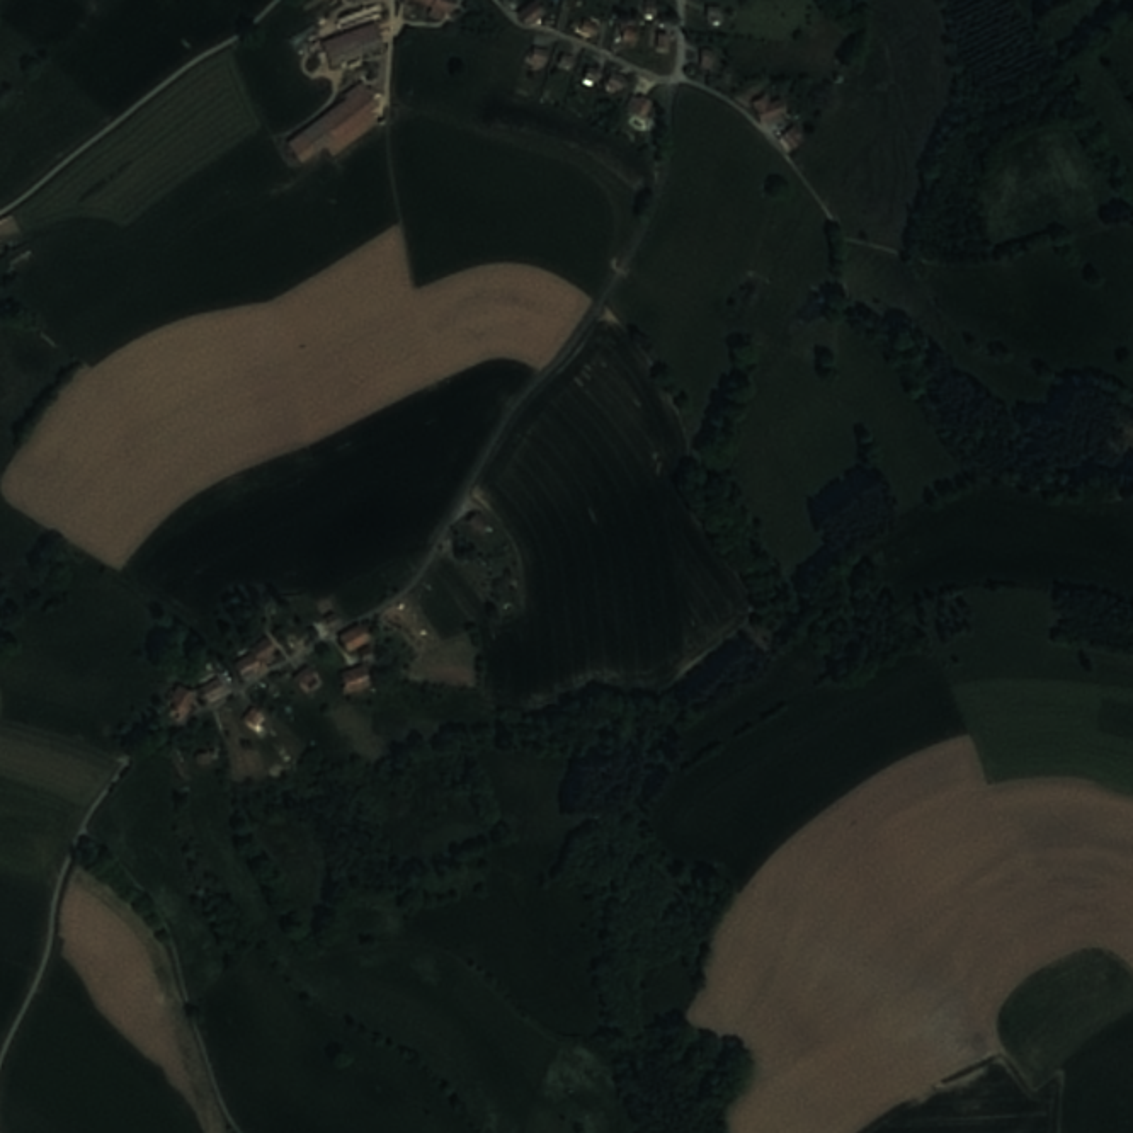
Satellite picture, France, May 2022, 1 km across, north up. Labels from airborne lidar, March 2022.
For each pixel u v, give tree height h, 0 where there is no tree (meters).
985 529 0
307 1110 0
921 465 0
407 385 0
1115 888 0
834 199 0
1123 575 0
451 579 0
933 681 0
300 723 0
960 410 33
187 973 0
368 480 0
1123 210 19
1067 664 0
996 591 8
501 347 0
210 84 0
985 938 0
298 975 0
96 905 0
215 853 0
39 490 0
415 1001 0
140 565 0
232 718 0
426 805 0
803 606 9
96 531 0
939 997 0
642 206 15
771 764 0
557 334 0
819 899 0
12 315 20
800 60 0
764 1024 0
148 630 0
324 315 0
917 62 0
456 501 0
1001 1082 0
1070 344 0
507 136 0
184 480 0
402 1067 0
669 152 15
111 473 0
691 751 0
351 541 0
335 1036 0
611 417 0
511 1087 0
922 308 0
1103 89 0
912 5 0
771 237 0
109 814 0
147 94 0
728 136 0
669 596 0
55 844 0
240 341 0
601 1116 0
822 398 0
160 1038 0
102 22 0
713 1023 0
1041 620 0
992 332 0
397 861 15
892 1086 0
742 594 0
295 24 0
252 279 0
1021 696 0
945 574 0
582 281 0
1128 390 17
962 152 16
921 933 0
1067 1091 0
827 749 0
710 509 27
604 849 13
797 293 0
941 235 17
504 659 0
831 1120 0
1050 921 0
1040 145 0
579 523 0
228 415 0
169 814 0
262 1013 0
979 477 15
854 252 0
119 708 0
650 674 0
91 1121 0
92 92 0
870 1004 0
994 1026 0
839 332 0
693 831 0
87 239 0
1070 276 0
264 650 0
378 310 0
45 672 0
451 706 0
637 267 0
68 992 0
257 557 0
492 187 0
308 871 0
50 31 0
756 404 0
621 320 0
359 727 0
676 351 0
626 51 0
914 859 0
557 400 0
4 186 0
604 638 0
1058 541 0
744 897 0
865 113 0
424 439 0
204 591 0
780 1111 0
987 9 12
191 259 0
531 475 0
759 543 19
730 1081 22
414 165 0
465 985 0
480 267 0
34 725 0
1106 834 0
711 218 0
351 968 0
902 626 18
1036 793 0
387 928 0
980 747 0
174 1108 0
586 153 0
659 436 0
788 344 0
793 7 0
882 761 0
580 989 0
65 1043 0
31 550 0
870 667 18
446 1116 0
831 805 0
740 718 0
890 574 0
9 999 0
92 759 0
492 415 0
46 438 0
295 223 0
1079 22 0
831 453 0
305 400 0
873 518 32
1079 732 0
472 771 15
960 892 0
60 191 0
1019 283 0
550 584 0
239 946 13
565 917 0
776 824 0
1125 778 0
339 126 0
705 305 0
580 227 0
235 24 0
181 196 0
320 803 8
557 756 6
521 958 0
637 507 0
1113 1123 0
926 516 0
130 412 0
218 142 0
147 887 0
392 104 0
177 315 0
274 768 0
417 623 0
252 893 0
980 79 12
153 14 0
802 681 0
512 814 0
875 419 0
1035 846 0
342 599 0
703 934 17
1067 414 31
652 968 11
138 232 0
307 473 0
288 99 0
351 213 0
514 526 0
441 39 0
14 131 0
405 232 0
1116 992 0
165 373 0
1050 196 0
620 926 18
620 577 0
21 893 0
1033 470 20
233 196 0
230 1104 0
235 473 0
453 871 19
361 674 0
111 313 0
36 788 0
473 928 0
